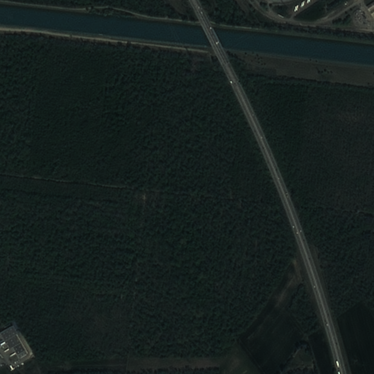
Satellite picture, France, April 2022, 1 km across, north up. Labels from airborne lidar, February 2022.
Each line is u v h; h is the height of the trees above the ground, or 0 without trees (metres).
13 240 17
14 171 17
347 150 8
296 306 12
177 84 16
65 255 19
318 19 0
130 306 13
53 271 13
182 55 14
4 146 15
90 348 14
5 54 14
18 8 0
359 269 10
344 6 0
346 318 0
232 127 13
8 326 0
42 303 9
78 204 15
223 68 6
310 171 8
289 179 17
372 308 10
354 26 0
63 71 10
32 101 11
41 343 10
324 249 11
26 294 12
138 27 0
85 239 14
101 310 12
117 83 15
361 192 9
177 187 13
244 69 7
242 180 7
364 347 0
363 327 0
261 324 0
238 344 0
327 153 8
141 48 17
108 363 0
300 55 0
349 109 8
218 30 0
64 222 12
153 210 15
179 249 24
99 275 14
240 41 0
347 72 0
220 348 14
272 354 0
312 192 7
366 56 0
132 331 8
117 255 14
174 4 0
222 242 10
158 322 17
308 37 0
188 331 16
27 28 0
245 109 0
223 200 10
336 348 0
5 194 15
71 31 0
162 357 11
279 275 12
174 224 22
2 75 15
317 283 0
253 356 0
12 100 14
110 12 13
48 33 0
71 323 12
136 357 14
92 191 6
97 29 0
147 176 19
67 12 0
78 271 17
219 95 17
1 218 13
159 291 14
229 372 0
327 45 0
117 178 6
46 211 18
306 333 10
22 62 9
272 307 0
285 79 13
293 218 0
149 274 16
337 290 9
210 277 19
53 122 14
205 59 16
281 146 11
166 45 0
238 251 19
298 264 0
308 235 8
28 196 14
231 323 8
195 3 0
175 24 0
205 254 20
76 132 13
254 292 16
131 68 14
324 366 0
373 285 9
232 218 19
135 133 8
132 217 13
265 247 16
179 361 0
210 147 18
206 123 16
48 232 12
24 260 14
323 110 8
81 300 12
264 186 7
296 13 0
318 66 0
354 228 17
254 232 16
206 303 16
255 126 0
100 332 11
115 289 11
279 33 0
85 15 0
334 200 7
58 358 12
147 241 19
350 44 0
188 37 0
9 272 9
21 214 13
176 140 17
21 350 0
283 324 0
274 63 0
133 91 10
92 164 9
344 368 0
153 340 20
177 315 16
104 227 17
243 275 15
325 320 0
